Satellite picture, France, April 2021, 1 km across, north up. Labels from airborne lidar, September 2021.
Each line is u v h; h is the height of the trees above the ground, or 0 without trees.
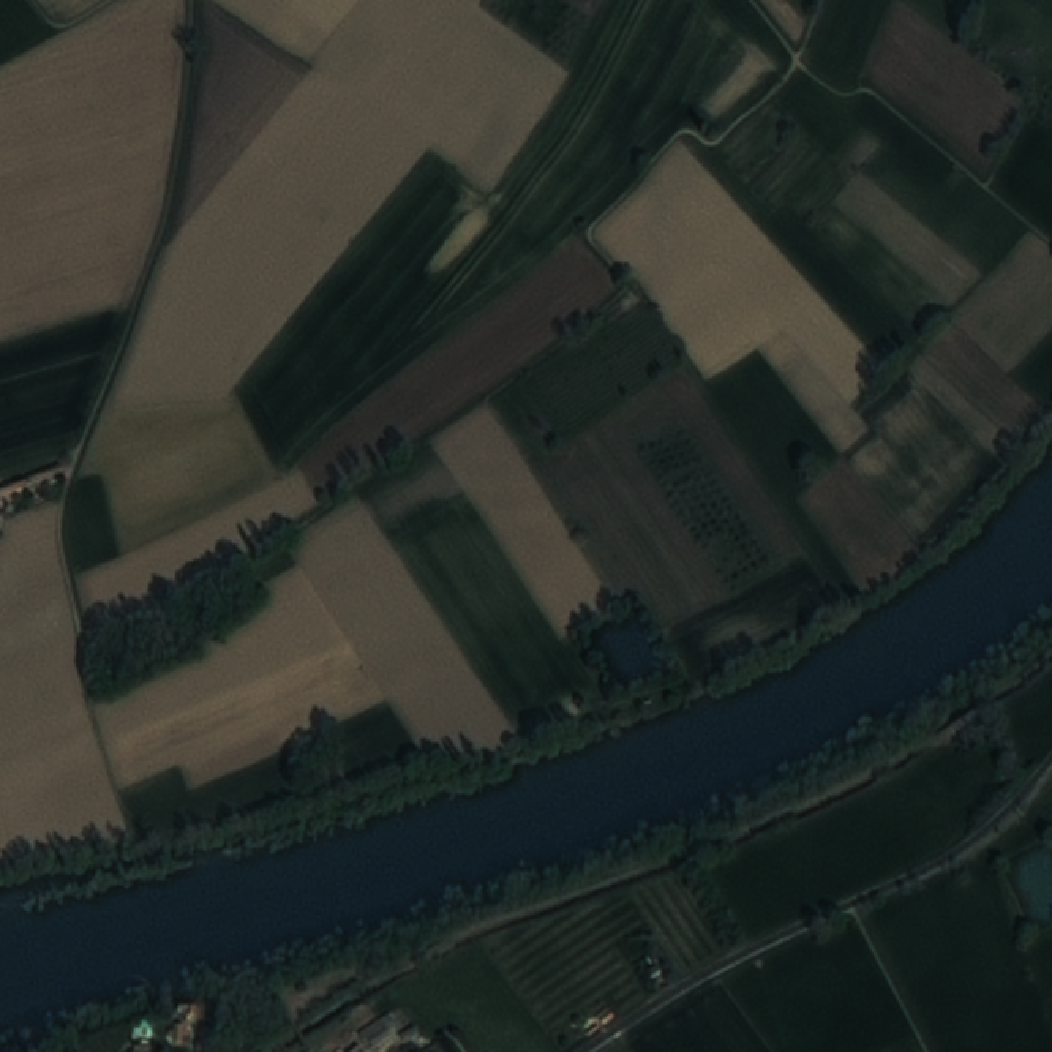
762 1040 0
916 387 0
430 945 15
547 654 0
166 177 0
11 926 0
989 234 0
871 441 0
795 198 0
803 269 0
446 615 0
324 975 12
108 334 0
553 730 33
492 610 0
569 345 24
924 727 26
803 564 0
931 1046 0
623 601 8
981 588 0
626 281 20
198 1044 8
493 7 8
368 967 14
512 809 0
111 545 0
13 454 0
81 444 0
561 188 0
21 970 0
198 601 29
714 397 0
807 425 0
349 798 24
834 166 0
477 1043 0
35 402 0
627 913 0
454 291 0
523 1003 0
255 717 0
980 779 0
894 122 0
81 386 0
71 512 0
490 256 0
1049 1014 0
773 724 0
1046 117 8
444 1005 0
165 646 35
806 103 0
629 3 0
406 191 0
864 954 0
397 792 16
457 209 0
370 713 0
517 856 0
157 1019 12
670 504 7
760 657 32
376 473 28
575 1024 8
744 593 0
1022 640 26
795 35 0
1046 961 0
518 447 0
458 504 0
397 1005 0
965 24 32
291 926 0
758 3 0
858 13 0
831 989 0
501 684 0
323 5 0
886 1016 0
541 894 16
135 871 11
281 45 0
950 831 0
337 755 21
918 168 0
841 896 0
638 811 0
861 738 22
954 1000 0
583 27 9
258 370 0
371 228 0
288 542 24
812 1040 0
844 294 0
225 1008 19
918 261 0
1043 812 0
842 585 0
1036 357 0
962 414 0
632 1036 0
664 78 0
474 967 0
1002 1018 0
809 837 0
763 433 0
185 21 0
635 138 0
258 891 0
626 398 16
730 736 0
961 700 17
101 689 25
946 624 0
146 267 0
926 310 0
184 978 19
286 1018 15
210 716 0
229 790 0
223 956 0
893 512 0
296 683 0
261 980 18
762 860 0
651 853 19
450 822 0
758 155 0
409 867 0
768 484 0
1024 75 0
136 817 0
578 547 10
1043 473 0
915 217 0
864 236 0
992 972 0
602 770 0
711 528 9
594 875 16
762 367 0
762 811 20
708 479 10
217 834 19
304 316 0
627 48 0
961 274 0
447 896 15
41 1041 19
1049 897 0
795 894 0
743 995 0
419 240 0
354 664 0
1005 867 11
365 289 0
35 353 0
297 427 0
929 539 0
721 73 0
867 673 0
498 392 0
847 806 0
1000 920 0
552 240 0
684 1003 0
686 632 0
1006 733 13
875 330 0
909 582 14
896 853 0
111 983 0
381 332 0
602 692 11
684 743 0
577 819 0
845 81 0
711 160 0
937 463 0
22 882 36
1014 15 0
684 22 0
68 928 0
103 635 35
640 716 15
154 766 0
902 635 0
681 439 7
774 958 0
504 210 0
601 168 0
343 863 0
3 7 0
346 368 0
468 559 0
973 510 10
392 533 0
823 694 0
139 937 0
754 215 0
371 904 0
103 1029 8
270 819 20
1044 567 0
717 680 12
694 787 0
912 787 0
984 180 0
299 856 0
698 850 17
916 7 0
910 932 0
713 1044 0
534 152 0
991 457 0
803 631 11
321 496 13
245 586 36
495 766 25
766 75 0
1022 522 0
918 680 0
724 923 12
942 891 0
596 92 0
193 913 0
